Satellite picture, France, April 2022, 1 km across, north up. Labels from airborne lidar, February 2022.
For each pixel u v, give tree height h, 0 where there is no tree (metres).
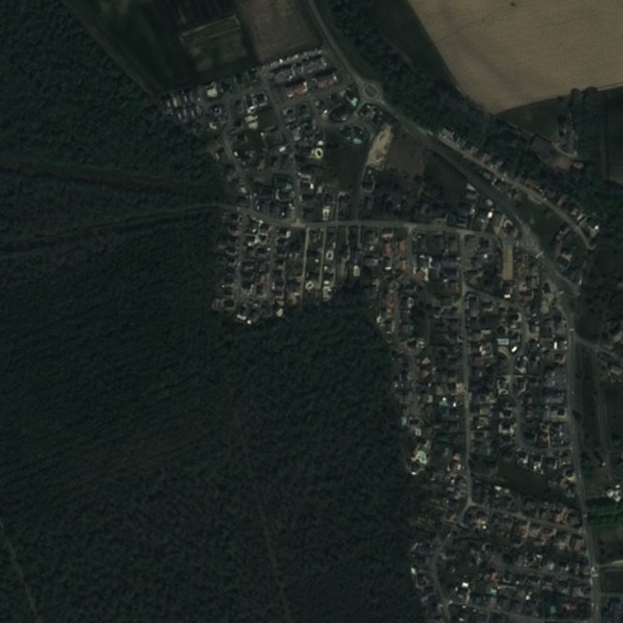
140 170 18
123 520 18
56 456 12
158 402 13
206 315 12
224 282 0
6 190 14
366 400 21
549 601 10
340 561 13
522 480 0
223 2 0
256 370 14
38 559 15
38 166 0
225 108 0
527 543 0
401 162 0
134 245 15
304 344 21
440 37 0
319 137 0
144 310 15
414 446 0
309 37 0
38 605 15
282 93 0
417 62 0
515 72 0
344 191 0
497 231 0
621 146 0
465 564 0
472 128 25
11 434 12
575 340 0
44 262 19
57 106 19
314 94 0
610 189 17
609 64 0
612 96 0
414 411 0
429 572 0
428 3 0
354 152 0
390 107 0
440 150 0
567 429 0
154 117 23
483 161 0
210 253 9
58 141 18
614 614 0
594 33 0
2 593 18
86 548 18
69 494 12
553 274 0
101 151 14
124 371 12
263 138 0
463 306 0
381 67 13
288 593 9
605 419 0
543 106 0
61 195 17
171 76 0
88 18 0
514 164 19
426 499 12
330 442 13
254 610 15
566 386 0
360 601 7
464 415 0
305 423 14
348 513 15
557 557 8
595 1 0
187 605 7
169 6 0
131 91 20
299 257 0
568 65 0
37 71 18
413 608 8
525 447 0
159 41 0
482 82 0
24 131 11
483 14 0
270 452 14
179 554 19
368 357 23
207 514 16
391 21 0
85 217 21
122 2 0
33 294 12
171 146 21
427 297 0
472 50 0
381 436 9
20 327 10
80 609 20
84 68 19
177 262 11
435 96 19
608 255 0
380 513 18
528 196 0
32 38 11
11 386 13
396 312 0
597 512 12
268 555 13
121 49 0
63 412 13
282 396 16
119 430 11
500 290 0
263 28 0
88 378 12
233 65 0
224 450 19
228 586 18
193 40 0
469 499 0
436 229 0
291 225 0
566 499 0
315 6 0
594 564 0
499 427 0
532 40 0
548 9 0
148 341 11
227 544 11
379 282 0
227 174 0
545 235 0
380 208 10
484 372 0
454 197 0
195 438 12
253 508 16
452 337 0
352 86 0
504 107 0
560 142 0
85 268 14
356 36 13
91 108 15
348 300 15
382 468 22
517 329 0
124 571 8
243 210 0
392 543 9
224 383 13
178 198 7
